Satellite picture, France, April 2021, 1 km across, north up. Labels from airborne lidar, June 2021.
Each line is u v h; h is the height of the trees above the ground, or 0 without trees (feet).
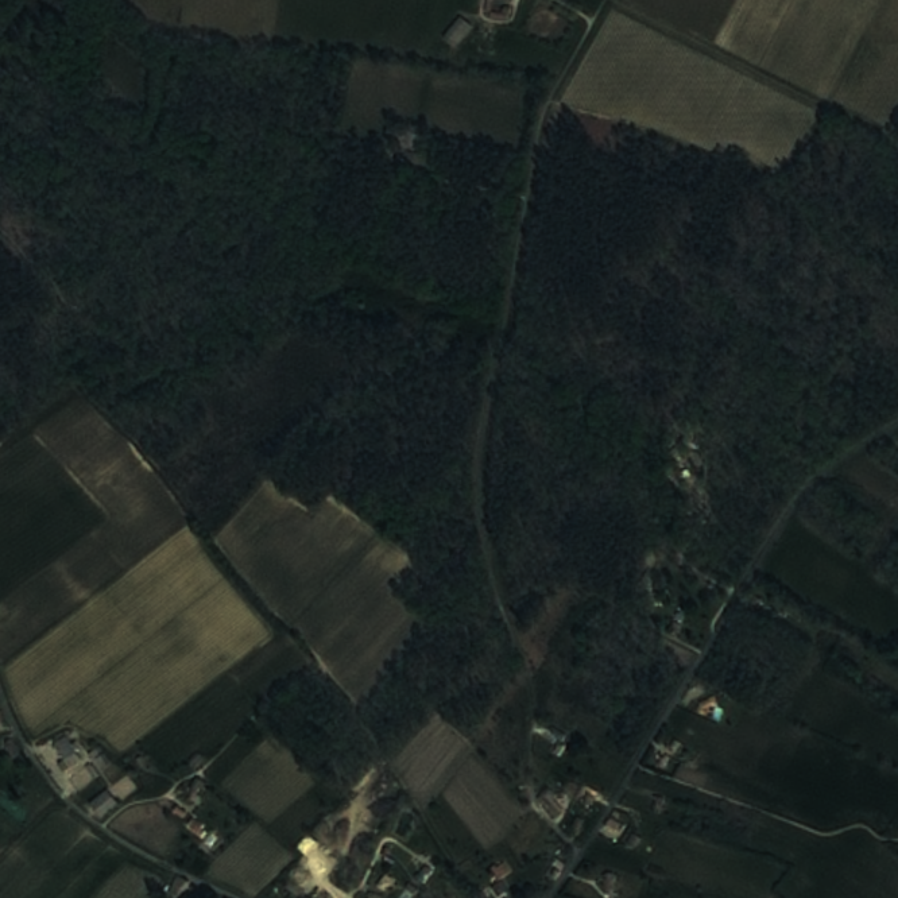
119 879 0
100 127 63
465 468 70
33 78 80
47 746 0
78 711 0
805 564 0
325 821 0
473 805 0
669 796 0
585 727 0
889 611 0
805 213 62
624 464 70
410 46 0
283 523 0
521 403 73
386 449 76
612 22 0
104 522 0
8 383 61
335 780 43
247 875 0
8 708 0
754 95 0
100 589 0
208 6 0
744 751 0
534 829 0
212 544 22
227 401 17
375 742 57
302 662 0
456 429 75
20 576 0
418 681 68
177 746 0
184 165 80
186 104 49
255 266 59
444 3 0
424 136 58
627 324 66
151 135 62
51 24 83
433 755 0
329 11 0
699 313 54
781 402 71
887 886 0
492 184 71
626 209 71
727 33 0
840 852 0
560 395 89
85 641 0
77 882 0
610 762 0
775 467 70
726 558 62
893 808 0
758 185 76
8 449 0
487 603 70
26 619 0
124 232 58
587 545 73
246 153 58
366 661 0
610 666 56
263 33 0
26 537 0
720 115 0
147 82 27
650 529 59
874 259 63
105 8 83
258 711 39
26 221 51
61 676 0
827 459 72
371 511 66
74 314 59
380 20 0
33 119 95
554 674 0
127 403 67
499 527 87
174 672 0
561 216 65
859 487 18
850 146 49
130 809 0
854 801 0
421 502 66
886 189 70
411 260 71
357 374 39
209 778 0
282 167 60
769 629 64
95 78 39
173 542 0
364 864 0
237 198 74
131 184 61
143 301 57
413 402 91
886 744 0
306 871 0
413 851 0
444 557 38
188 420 71
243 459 23
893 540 19
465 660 44
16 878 0
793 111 0
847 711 0
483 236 74
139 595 0
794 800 0
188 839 28
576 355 54
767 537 34
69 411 0
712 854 0
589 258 65
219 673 0
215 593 0
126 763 18
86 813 0
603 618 35
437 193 65
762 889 0
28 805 0
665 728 20
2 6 68
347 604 0
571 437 67
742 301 80
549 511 47
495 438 56
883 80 0
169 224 65
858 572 0
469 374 76
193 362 72
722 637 39
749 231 59
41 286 65
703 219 56
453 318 43
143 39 55
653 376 52
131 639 0
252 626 0
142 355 62
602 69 0
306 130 67
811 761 0
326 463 94
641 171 55
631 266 52
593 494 70
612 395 80
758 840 0
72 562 0
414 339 47
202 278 51
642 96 0
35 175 63
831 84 0
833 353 62
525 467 52
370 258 81
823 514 59
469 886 57
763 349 71
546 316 66
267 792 0
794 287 71
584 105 0
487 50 0
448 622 73
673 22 0
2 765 34
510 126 0
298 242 79
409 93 0
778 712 29
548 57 0
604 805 0
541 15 0
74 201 52
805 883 0
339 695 63
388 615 0
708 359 76
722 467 60
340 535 0
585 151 69
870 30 0
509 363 91
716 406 73
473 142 23
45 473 0
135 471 0
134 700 0
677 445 66
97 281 65
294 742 49
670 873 0
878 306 57
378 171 79
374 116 0
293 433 77
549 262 67
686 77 0
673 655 66
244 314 87
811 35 0
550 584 64
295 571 0
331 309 75
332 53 58
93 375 72
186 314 69
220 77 57
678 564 34
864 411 75
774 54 0
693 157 35
